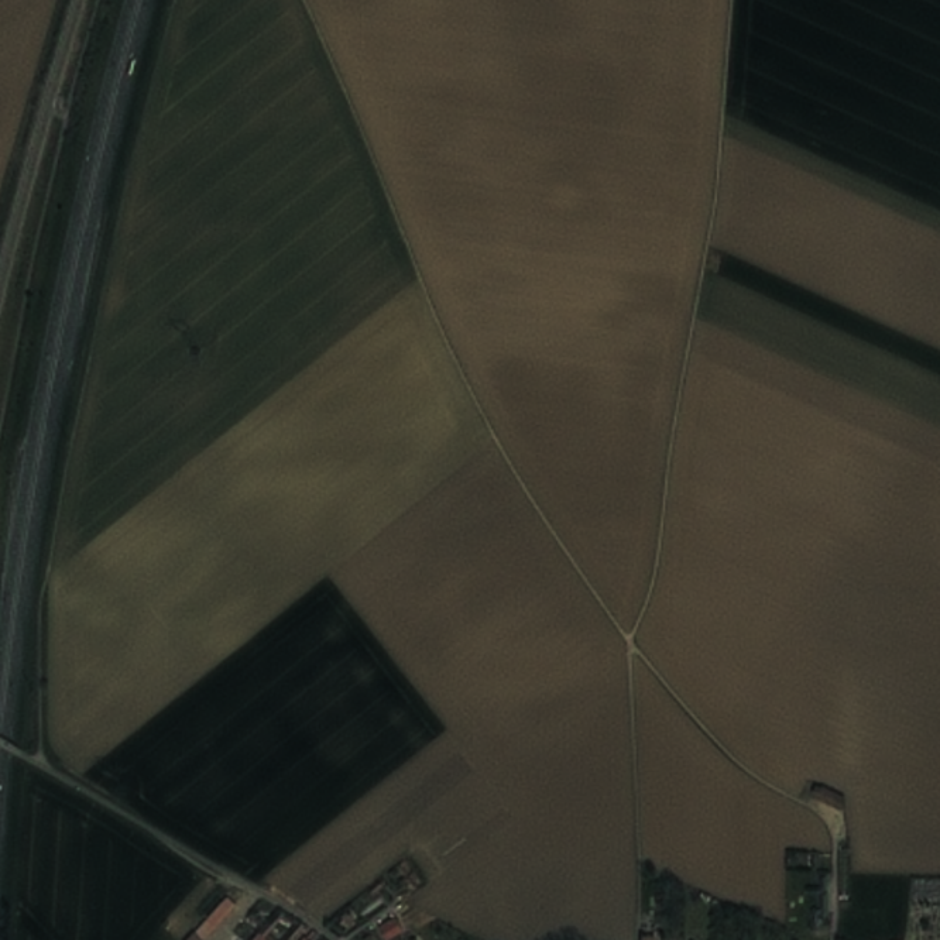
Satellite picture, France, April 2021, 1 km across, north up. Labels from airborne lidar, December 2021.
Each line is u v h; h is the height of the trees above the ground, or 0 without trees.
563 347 0
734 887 0
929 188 0
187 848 0
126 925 0
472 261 0
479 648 0
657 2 0
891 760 0
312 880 0
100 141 0
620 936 0
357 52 0
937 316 0
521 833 0
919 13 0
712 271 0
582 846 0
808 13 0
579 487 0
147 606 0
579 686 0
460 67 0
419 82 0
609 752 0
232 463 0
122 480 0
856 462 0
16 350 0
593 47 0
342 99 0
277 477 0
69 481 0
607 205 0
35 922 0
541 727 0
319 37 0
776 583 0
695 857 0
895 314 0
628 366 0
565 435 0
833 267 0
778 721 0
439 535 0
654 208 0
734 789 0
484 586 0
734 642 0
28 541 0
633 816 0
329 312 0
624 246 0
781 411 0
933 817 0
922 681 0
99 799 0
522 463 0
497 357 0
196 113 0
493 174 0
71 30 0
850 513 0
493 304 0
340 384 0
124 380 0
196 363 0
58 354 0
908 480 0
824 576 0
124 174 0
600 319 0
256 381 0
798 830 0
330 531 0
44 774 0
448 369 0
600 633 0
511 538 0
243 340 0
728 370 0
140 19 0
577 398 0
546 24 0
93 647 0
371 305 0
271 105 0
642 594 0
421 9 0
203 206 0
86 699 0
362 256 0
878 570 0
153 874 0
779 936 8
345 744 0
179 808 0
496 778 0
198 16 0
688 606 0
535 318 0
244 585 0
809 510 0
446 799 0
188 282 0
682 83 0
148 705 0
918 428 0
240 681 0
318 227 0
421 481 0
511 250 0
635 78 0
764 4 0
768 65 0
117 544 0
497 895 0
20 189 0
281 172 0
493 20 0
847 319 0
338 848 0
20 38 0
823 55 0
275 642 0
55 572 0
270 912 0
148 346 0
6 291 0
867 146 0
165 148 0
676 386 0
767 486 0
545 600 0
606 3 0
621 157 0
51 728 0
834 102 0
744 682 0
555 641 0
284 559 0
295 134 0
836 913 0
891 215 0
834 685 0
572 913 0
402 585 0
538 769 0
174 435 0
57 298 0
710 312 0
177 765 0
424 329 0
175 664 0
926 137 0
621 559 0
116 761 0
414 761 0
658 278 0
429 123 0
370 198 0
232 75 0
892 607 0
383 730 0
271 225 0
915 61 0
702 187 0
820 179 0
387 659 0
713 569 0
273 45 0
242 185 0
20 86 0
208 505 0
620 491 0
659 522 0
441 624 0
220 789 0
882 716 0
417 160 0
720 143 0
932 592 0
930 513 0
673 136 0
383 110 0
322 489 0
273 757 0
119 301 0
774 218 0
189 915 0
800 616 0
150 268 0
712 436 0
